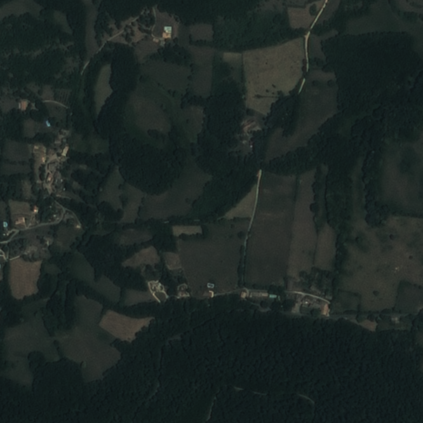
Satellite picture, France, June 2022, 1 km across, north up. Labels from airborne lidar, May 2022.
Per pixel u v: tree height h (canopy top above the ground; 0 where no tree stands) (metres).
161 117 0
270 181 0
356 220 0
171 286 16
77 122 15
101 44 9
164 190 13
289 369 31
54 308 22
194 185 0
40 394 19
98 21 8
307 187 0
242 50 9
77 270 0
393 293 0
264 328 27
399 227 0
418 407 16
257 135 13
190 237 6
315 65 7
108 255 18
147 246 11
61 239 0
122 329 0
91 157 16
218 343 28
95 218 9
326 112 0
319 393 35
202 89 0
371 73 16
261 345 19
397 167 0
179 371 29
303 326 13
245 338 18
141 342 18
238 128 17
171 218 10
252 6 8
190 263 0
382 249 0
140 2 14
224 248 0
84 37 11
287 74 0
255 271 0
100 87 0
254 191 0
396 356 19
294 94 11
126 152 16
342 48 13
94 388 17
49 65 11
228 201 6
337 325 18
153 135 14
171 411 19
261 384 12
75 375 19
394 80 21
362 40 17
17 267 0
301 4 0
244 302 13
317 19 0
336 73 11
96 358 0
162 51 13
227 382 12
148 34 14
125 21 6
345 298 0
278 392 16
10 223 7
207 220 11
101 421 25
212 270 0
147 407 25
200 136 12
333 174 16
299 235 0
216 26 8
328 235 0
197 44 10
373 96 15
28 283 0
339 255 16
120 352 12
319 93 0
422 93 21
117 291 0
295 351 32
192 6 19
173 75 0
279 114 16
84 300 0
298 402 13
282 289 11
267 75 0
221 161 13
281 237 0
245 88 6
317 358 30
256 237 0
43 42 10
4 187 8
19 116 12
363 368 26
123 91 18
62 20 0
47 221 6
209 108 16
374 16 0
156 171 16
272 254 0
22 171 0
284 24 10
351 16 12
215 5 8
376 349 22
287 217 0
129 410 25
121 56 18
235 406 21
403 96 26
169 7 11
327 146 24
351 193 11
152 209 0
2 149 11
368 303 0
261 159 15
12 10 0
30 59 7
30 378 0
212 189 7
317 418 8
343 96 17
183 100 14
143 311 15
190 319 18
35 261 9
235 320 18
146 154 16
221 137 12
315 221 11
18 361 0
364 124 23
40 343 0
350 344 23
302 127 0
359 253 0
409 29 0
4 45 9
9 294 17
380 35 15
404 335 19
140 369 19
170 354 27
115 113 20
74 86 13
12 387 25
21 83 12
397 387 19
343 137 20
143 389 17
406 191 0
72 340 0
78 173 18
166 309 17
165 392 22
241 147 0
